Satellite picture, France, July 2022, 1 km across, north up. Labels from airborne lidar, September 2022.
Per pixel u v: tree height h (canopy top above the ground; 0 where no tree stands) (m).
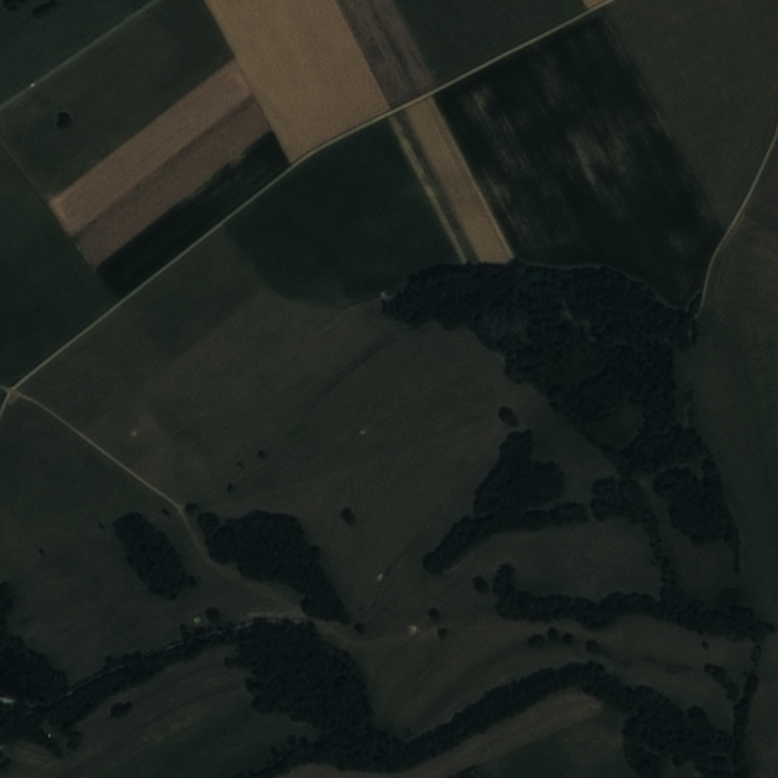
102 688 9
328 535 0
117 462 0
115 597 0
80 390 0
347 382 0
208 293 0
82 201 0
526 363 8
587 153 0
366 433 0
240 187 0
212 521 16
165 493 0
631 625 0
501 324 22
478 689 0
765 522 0
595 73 0
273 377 0
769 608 0
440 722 0
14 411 0
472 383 0
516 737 0
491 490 14
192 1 0
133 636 0
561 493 11
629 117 0
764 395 0
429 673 0
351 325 0
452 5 0
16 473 0
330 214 0
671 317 16
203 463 0
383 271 0
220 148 0
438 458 0
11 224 0
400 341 0
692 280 0
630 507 14
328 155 0
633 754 10
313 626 16
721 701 0
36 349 0
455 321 10
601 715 0
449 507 0
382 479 0
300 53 0
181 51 0
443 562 12
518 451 15
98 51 0
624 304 17
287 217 0
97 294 0
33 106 0
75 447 0
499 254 0
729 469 0
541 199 0
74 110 0
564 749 0
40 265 0
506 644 0
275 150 0
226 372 0
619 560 0
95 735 0
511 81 0
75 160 0
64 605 0
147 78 0
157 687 0
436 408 0
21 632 0
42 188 0
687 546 0
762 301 0
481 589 17
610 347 7
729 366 0
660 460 15
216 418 0
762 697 0
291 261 0
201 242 0
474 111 0
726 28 0
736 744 11
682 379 0
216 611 11
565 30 0
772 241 0
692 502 20
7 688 13
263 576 11
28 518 0
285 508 0
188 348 0
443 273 20
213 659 0
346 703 23
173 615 0
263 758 0
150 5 0
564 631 0
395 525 0
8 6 11
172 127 0
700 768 10
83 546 0
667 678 0
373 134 0
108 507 0
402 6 0
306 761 14
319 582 21
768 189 0
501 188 0
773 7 0
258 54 0
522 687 19
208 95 0
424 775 0
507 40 0
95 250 0
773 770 0
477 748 0
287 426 0
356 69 0
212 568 0
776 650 0
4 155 0
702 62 0
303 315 0
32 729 17
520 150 0
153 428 0
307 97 0
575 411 10
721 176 0
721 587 0
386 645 0
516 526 11
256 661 16
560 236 0
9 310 0
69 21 0
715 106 0
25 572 0
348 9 0
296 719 13
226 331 0
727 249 0
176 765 0
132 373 0
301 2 0
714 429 0
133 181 0
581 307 20
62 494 0
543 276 12
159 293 0
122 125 0
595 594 0
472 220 0
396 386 0
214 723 0
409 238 0
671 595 17
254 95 0
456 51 0
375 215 0
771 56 0
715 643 0
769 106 0
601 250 0
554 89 0
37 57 0
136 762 0
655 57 0
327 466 0
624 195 0
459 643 0
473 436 0
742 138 0
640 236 0
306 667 21
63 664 0
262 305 0
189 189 0
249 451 0
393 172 0
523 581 0
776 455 0
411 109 0
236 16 0
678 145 0
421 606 0
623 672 0
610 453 17
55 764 0
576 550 0
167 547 15
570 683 11
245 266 0
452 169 0
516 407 0
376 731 21
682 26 0
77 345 0
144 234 0
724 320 0
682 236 0
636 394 16
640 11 0
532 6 0
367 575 0
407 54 0
